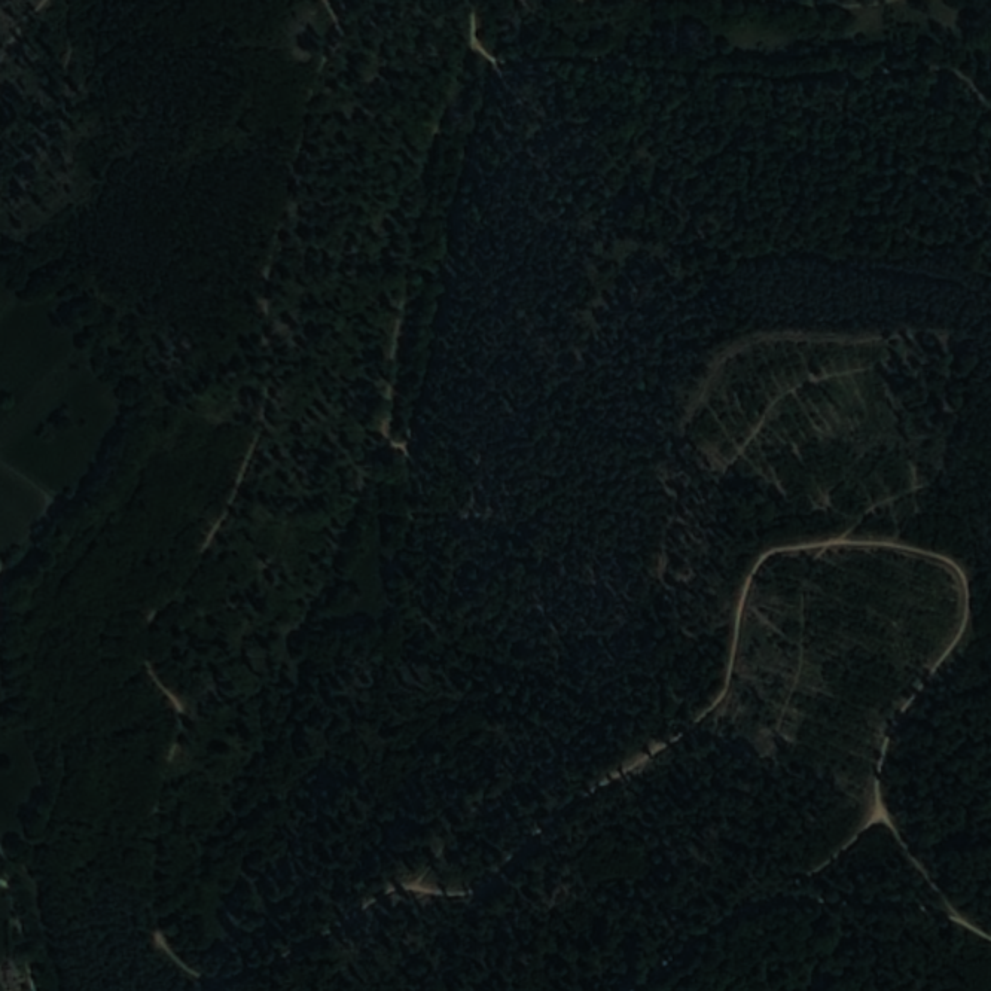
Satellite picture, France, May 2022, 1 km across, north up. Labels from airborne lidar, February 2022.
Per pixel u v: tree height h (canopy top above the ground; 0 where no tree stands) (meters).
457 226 41
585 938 13
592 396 25
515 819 34
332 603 21
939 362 32
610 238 14
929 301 24
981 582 10
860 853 8
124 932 24
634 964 36
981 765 34
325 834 39
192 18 10
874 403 0
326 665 18
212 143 7
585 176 33
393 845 38
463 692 39
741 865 35
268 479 32
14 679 13
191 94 14
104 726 11
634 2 27
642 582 26
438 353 39
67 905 22
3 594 18
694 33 29
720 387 0
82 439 0
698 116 31
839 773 0
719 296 13
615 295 0
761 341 0
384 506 20
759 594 0
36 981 11
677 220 24
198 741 12
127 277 7
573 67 25
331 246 26
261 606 41
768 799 38
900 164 36
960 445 15
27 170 30
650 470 23
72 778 8
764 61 19
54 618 14
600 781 0
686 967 33
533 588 32
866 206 33
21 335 0
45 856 19
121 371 21
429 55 30
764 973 13
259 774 13
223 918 0
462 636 11
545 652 34
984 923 36
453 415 34
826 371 0
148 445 19
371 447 14
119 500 9
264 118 6
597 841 14
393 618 16
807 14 22
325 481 33
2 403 10
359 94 32
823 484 0
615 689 34
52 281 25
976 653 10
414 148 32
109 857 17
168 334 32
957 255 19
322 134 16
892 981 23
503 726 35
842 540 0
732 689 0
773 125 30
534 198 36
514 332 36
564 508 31
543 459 31
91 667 14
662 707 29
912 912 36
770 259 24
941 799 38
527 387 34
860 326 19
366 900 0
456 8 29
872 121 29
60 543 20
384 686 14
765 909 23
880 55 21
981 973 13
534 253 35
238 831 22
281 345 26
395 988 36
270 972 15
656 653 27
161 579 19
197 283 18
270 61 6
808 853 34
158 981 27
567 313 31
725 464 0
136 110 26
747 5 22
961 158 32
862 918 34
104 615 10
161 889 22
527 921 7
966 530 16
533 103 36
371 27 31
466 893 0
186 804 19
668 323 27
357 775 34
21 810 0
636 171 36
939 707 35
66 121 29
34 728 15
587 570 32
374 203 33
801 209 36
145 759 16
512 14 19
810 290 25
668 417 16
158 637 18
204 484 10
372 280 36
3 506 0
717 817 34
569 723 38
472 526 10
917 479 0
